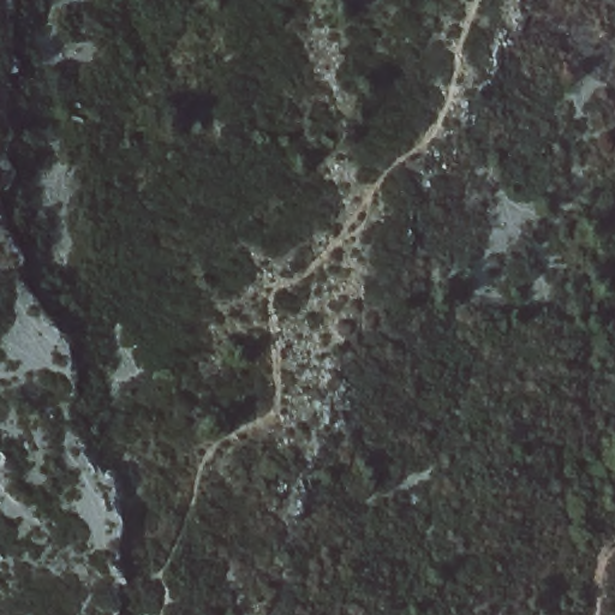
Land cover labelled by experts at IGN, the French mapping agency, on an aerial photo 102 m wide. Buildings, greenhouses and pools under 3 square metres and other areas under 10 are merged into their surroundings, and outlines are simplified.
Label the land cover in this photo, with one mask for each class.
<instances>
[{"label":"brushwood","instance_id":"1","mask_svg":"<svg viewBox=\"0 0 615 615\"><path fill-rule=\"evenodd\" d=\"M315 0H0V336L14 324V288L24 283L26 291L34 295L29 315H46L58 327L62 339L70 344L74 370L72 377L50 370H29L26 382H22L19 377H0V454H5L10 464V492L26 507H34V514L41 519L38 526H34L22 538V519L5 517L0 512V615H615V555L608 562L605 581L596 584V565L601 548H610L615 553V130H610L601 139L584 142L586 120L574 115V103L567 96L581 86V79L569 74L565 53L555 48L553 41L543 38L538 46H533L517 36L512 46L500 48L495 82L483 91H464L468 101V113H476V123H466V130L459 135L432 139L440 149L437 159L428 154H416L384 180V219L368 226L363 233V243L370 245V267L363 281L365 293L360 298L341 295L339 300L329 303L336 312L353 310L351 320H344L339 324L344 341L336 348L341 353H353V360L341 368H332V375L346 384L344 396L351 404L348 411H344L346 425L341 430H334L329 425L324 428V440L320 442V454L315 459H305L303 449L293 444L279 449L276 440H271L262 430L240 435V444L233 454V461L228 464V471L219 476V471H207L199 488V502L197 507H190L197 466L190 459L178 461V452H187L192 444H197V423L204 418L214 420L226 406L245 396L255 399L257 416L267 413L274 401L271 353L257 360H245L243 368L221 365L216 375L202 377L199 363L214 353L209 324H223V312L216 310V303L240 295L257 279L259 271L255 267V259L250 257V250L259 247L264 255L281 257L288 250H293L295 259L291 262V267L281 271L283 279H288L303 271L315 259V233H341V199L351 190V183L332 180L327 159L353 163L358 171L356 178L368 185L380 175V171L387 163H392L406 149H411L423 137V132L435 123L437 111L444 103V96L435 86V79H442L447 86L452 84L454 55L442 41L432 38V34H440L442 17L464 19L468 0H341L344 12L348 14V46L341 50V67L336 72V79L346 94L356 98L353 115H348L336 108L334 91L315 72V65L310 62L303 46L310 38L308 14ZM77 41L94 43L91 60H62L58 65H46V58H53L55 53L65 50V46ZM55 163H67L77 180V190L70 197L67 214L72 238V252L67 257V264L55 262V245L60 243L62 202L48 207L43 202L41 183L43 173H48ZM500 190H504L514 202L533 204L536 219L521 223V235L517 245H512L504 252L485 255L492 223L500 221L497 214H490V209L497 207ZM120 348L132 351L135 363L142 368V372L123 382L120 392L113 396L111 377L120 365ZM65 432H74L84 442L89 461L96 468L108 471L118 488L115 500L118 512L123 517V536L108 543V548L103 550L89 543V524L77 512L60 507L67 500L82 497L79 468H72L65 461ZM295 478H300L305 485L303 512L298 517L288 514L286 509L291 492H279V483H293Z\"/></svg>","mask_w":615,"mask_h":615},{"label":"bare soil","instance_id":"2","mask_svg":"<svg viewBox=\"0 0 615 615\"><path fill-rule=\"evenodd\" d=\"M348 14L344 12L341 0H315L308 14L310 38L303 46L310 62L315 65V72L334 91L336 108L348 115H353L356 98L346 94L336 79V72L341 67V50L348 46ZM517 36L533 46H538L543 38L553 41L555 48L565 53L569 74L581 79V86L567 96L574 103V115L586 120L584 142L601 139L610 130H615V0H468L464 19L442 17L440 34H432V38L442 41L454 55L452 84L447 86L442 79H435V86L444 96V103L437 111L435 123L423 132V137L411 149H406L392 163H387L380 171V175L368 185L356 178L358 171L353 163L327 159L332 180L351 183V190L341 199V233H315V259L303 271L288 279H283L281 271L291 267V262L295 259L293 250H288L281 257L264 255L259 247L250 250V257L255 259V267L259 271L257 279L240 295L216 303V310L223 312V324H209L214 353L199 363L202 377L216 375L221 365L243 368L245 360H257L271 353L274 401L267 413L257 416L255 399L245 396L226 406L214 420L204 418L197 423V444H192L187 452H178V461L190 459L197 466L190 507H197L199 502V488L207 471H219V476L228 471V464L233 461V454L240 444V435L262 430L271 440H276L279 449L293 444L303 449L305 459H315L320 454V442L324 440V428L329 425L334 430H341L346 425L344 411H348L351 404L344 396L346 384L332 375V368H341L353 360V353H341L336 348L344 341L339 324L344 320H351L353 310L336 312L329 303L339 300L341 295L360 298L365 293L363 281L370 267V245L363 243V233L368 226L384 219V180L416 154H428L437 159L440 149L432 139L459 135L466 130V123H476V113H468V101L464 91H483L495 82L500 48L512 46ZM94 43L77 41L65 46V50L55 53L53 58H46V65H58L62 60H91ZM41 183L43 202L48 207L62 202L60 243L55 245V262L67 264V257L72 252V238L67 214L70 197L77 190V180L67 163H55L48 173H43ZM490 214H497L500 221L492 223L485 255L504 252L512 245H517L521 235V223L536 219L533 204L514 202L504 190H500L497 207L490 209ZM14 324L0 336V377H19L22 382H26L29 370H50L72 377L74 370L70 344L62 339L58 327L46 315H29L34 295L26 291L24 283L14 288ZM120 365L111 377L113 396L120 392L123 382L142 372V368L135 363L132 351L120 348ZM65 461L72 468H79L82 497L67 500L60 507L77 512L89 524V543L103 550L108 548V543L123 536V517L118 512L115 500L118 488L108 471L96 468L89 461L84 442L74 432H65ZM0 512L5 517L22 519V538L34 526H38L41 519L34 514V507H26L10 492V464L5 454H0ZM279 492H291L286 509L288 514L298 517L303 512L305 485L300 478H295L293 483H279ZM615 555V553L610 548H601L596 565V584L605 581L608 562Z\"/></svg>","mask_w":615,"mask_h":615}]
</instances>
